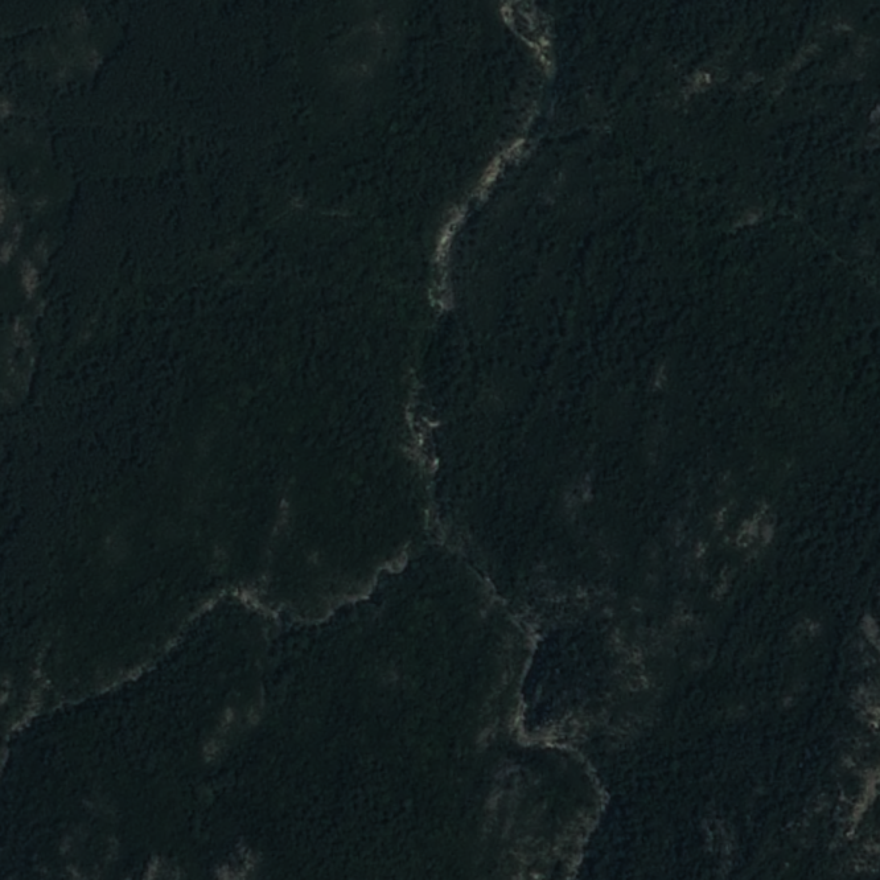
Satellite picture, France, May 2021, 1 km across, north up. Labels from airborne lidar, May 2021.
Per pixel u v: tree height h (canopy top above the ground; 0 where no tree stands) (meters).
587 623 10
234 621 9
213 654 12
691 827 8
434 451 10
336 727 7
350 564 6
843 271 19
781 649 14
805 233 10
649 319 18
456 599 7
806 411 8
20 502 22
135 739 22
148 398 23
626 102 12
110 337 10
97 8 18
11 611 15
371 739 12
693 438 6
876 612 6
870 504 12
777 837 9
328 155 11
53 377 20
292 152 10
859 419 12
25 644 18
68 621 8
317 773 9
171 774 7
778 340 11
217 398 11
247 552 9
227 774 25
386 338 16
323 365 13
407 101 9
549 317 7
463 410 10
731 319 7
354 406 22
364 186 19
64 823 10
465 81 25
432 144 15
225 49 21
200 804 13
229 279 19
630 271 20
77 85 15
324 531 8
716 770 15
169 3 15
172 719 13
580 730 8
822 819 9
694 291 19
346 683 10
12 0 22
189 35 22
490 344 8
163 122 17
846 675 7
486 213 10
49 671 10
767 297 7
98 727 14
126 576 7
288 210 6
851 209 6
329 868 17
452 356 24
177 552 9
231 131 18
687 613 10
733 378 6
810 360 7
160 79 20
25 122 14
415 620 17
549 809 7
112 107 21
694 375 7
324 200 6
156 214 26
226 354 14
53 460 24
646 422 8
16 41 16
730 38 12
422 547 6
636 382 6
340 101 9
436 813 8
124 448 22
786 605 10
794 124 6
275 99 25
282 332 11
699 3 21
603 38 9
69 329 20
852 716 11
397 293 7
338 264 15
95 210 26
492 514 5
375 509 13
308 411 6
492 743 9
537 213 6
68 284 17
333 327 11
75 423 20
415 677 21
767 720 6
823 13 11
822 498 13
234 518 8
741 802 9
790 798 11
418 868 6
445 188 21
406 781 8
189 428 6
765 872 14
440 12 31
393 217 15
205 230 17
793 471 8
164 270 20
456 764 12
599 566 6
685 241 14
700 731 9
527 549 12
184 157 18
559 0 8
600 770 10
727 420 5
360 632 7
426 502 10
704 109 7
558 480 5
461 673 8
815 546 21
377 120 12
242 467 7
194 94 23
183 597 11
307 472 7
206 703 13
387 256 12
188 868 6
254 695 6
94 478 19
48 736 21
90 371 18
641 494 9
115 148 23
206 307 18
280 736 8
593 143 22
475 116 8
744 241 7
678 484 7
